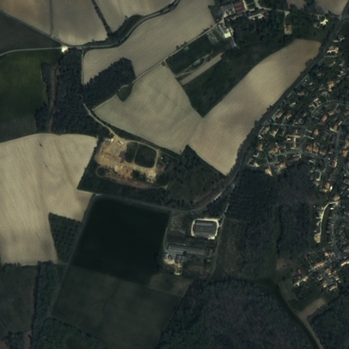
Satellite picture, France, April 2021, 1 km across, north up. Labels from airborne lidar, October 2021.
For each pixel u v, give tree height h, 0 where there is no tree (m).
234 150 0
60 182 0
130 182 0
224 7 0
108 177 0
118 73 17
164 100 0
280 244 17
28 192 0
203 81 0
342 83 14
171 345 16
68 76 12
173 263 0
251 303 19
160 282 0
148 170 0
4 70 0
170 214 0
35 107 0
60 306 0
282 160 7
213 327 23
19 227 0
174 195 0
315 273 6
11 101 0
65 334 18
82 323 0
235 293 21
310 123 10
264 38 19
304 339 15
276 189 24
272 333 17
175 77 0
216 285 14
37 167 0
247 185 17
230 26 8
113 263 0
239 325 21
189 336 24
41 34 0
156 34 0
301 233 20
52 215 9
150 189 6
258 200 22
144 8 0
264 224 20
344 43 17
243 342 21
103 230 0
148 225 0
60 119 19
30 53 0
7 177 0
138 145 0
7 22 0
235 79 7
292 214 22
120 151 0
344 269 7
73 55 18
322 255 11
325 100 0
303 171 20
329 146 6
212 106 7
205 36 0
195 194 0
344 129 13
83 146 0
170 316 0
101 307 0
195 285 5
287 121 7
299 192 18
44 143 0
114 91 19
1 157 0
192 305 12
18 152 0
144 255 0
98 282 0
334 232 0
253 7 0
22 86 0
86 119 13
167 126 0
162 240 0
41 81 0
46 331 18
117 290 0
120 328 0
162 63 0
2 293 0
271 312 20
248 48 7
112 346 0
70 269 0
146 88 0
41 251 0
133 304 0
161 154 0
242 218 13
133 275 0
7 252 0
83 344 16
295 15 11
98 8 12
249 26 16
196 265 6
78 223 7
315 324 21
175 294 0
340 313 18
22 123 0
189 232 0
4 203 0
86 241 0
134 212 0
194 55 0
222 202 12
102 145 9
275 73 0
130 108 0
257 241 18
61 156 0
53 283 26
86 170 12
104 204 0
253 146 6
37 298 22
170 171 13
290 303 0
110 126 7
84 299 0
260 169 6
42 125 14
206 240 8
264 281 0
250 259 13
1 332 0
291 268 0
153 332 0
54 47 0
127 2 0
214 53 0
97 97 15
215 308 20
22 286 0
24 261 0
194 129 0
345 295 18
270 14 13
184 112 0
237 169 16
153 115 0
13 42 0
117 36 14
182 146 0
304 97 9
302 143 10
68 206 0
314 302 0
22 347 15
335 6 0
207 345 24
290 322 9
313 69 9
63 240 6
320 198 16
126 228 0
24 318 0
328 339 17
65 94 18
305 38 11
